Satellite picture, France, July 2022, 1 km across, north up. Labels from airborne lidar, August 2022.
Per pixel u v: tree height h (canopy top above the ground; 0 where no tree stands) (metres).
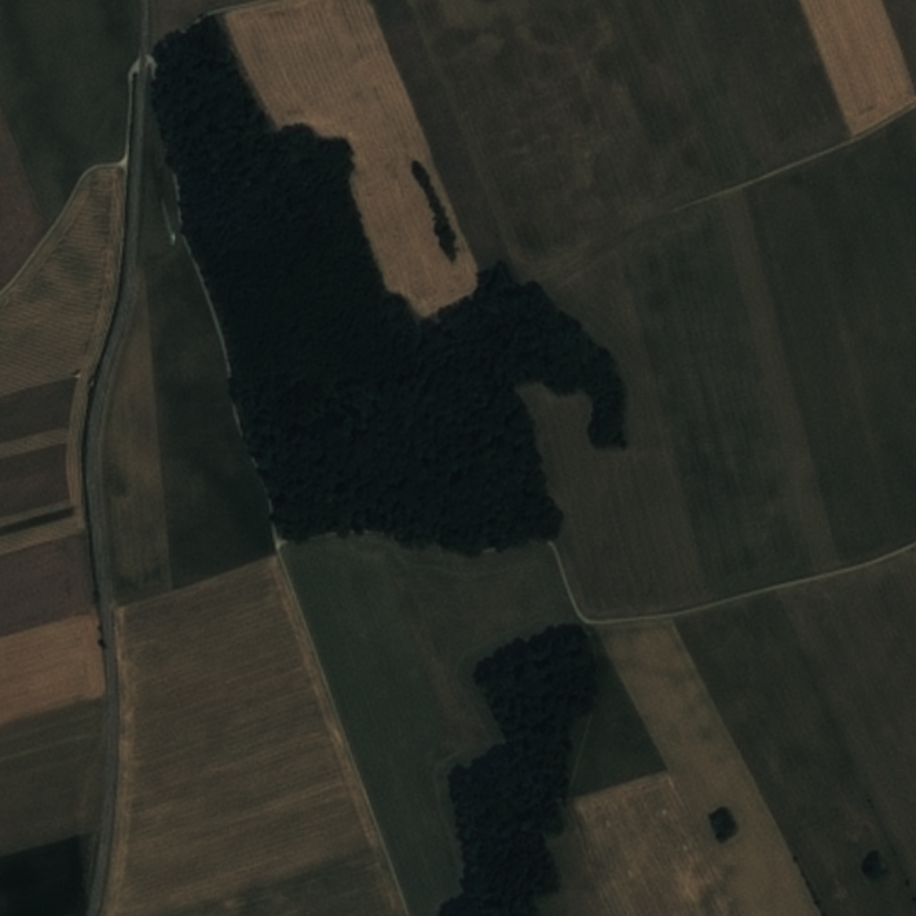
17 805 0
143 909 0
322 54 0
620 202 0
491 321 16
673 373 0
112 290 0
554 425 0
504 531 24
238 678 0
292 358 15
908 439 0
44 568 0
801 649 0
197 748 0
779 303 0
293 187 14
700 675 0
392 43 0
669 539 0
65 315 0
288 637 0
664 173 0
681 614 0
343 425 28
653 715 0
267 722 0
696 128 0
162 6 0
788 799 0
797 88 0
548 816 22
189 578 0
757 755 0
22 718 0
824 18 0
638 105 0
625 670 0
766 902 0
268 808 0
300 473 20
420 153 0
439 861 0
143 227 0
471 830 19
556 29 0
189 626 0
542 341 18
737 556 0
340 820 0
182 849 0
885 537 0
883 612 0
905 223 0
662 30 0
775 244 0
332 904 0
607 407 20
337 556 0
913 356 0
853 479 0
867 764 0
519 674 29
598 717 0
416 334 22
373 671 0
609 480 0
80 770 0
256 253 12
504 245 0
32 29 0
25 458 0
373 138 0
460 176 0
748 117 0
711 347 0
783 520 0
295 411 9
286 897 0
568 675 26
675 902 0
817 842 0
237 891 0
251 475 0
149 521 0
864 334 0
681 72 0
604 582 0
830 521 0
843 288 0
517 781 19
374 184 0
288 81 0
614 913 0
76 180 0
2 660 0
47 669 0
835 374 0
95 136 0
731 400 0
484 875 20
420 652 0
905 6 0
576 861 0
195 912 0
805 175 0
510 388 21
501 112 0
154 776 0
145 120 0
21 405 0
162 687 0
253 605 0
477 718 0
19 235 0
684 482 0
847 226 0
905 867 0
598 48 0
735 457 0
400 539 17
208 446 0
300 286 11
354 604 0
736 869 0
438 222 11
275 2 0
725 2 0
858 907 0
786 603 0
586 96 0
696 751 0
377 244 0
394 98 0
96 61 0
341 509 25
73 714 0
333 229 15
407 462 26
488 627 0
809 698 0
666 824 0
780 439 0
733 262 0
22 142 0
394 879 0
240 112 23
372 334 14
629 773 0
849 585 0
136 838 0
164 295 0
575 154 0
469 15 0
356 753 0
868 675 0
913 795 0
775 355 0
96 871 0
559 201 0
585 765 0
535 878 16
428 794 0
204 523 0
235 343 12
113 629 0
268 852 0
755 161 0
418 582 0
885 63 0
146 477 0
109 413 0
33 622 0
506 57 0
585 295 0
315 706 0
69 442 0
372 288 12
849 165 0
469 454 26
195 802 0
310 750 0
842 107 0
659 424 0
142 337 0
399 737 0
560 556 0
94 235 0
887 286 0
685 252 0
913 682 0
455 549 11
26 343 0
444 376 26
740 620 0
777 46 0
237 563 0
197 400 0
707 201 0
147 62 0
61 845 0
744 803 0
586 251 0
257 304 12
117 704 0
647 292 0
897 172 0
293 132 18
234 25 0
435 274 0
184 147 14
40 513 0
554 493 0
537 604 0
